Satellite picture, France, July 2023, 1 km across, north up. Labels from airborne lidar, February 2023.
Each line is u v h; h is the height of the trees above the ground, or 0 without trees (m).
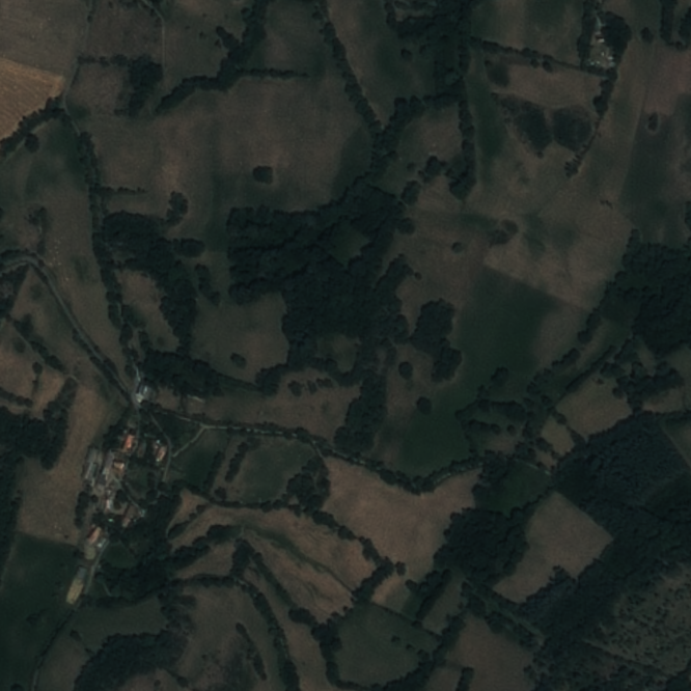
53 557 0
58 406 7
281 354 0
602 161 0
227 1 0
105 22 0
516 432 17
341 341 0
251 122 0
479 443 0
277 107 0
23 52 0
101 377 0
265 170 14
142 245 24
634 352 14
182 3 0
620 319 0
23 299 0
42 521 0
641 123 0
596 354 0
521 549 10
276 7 0
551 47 0
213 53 0
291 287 25
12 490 14
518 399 0
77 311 0
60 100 12
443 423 0
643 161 0
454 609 0
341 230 21
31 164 0
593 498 10
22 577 0
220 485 0
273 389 16
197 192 0
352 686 13
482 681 0
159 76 25
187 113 0
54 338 0
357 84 9
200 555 11
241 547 11
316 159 0
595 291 0
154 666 14
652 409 0
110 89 0
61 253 0
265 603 17
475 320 0
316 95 0
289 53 0
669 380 19
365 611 0
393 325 9
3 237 8
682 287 16
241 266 9
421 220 0
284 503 7
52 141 0
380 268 11
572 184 0
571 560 0
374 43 0
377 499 0
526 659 0
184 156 0
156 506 8
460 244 9
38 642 0
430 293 0
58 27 0
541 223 0
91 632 0
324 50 0
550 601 25
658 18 0
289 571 0
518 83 0
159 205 0
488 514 21
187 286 15
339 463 0
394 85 0
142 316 0
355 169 0
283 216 21
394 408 0
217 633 0
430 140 0
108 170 0
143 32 0
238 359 17
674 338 12
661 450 29
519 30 0
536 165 0
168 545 22
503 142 0
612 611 13
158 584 7
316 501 16
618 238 0
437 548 0
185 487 8
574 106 0
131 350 14
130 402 8
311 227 22
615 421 0
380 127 18
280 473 0
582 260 0
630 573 7
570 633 13
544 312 0
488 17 0
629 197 0
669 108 0
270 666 0
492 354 0
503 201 0
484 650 0
